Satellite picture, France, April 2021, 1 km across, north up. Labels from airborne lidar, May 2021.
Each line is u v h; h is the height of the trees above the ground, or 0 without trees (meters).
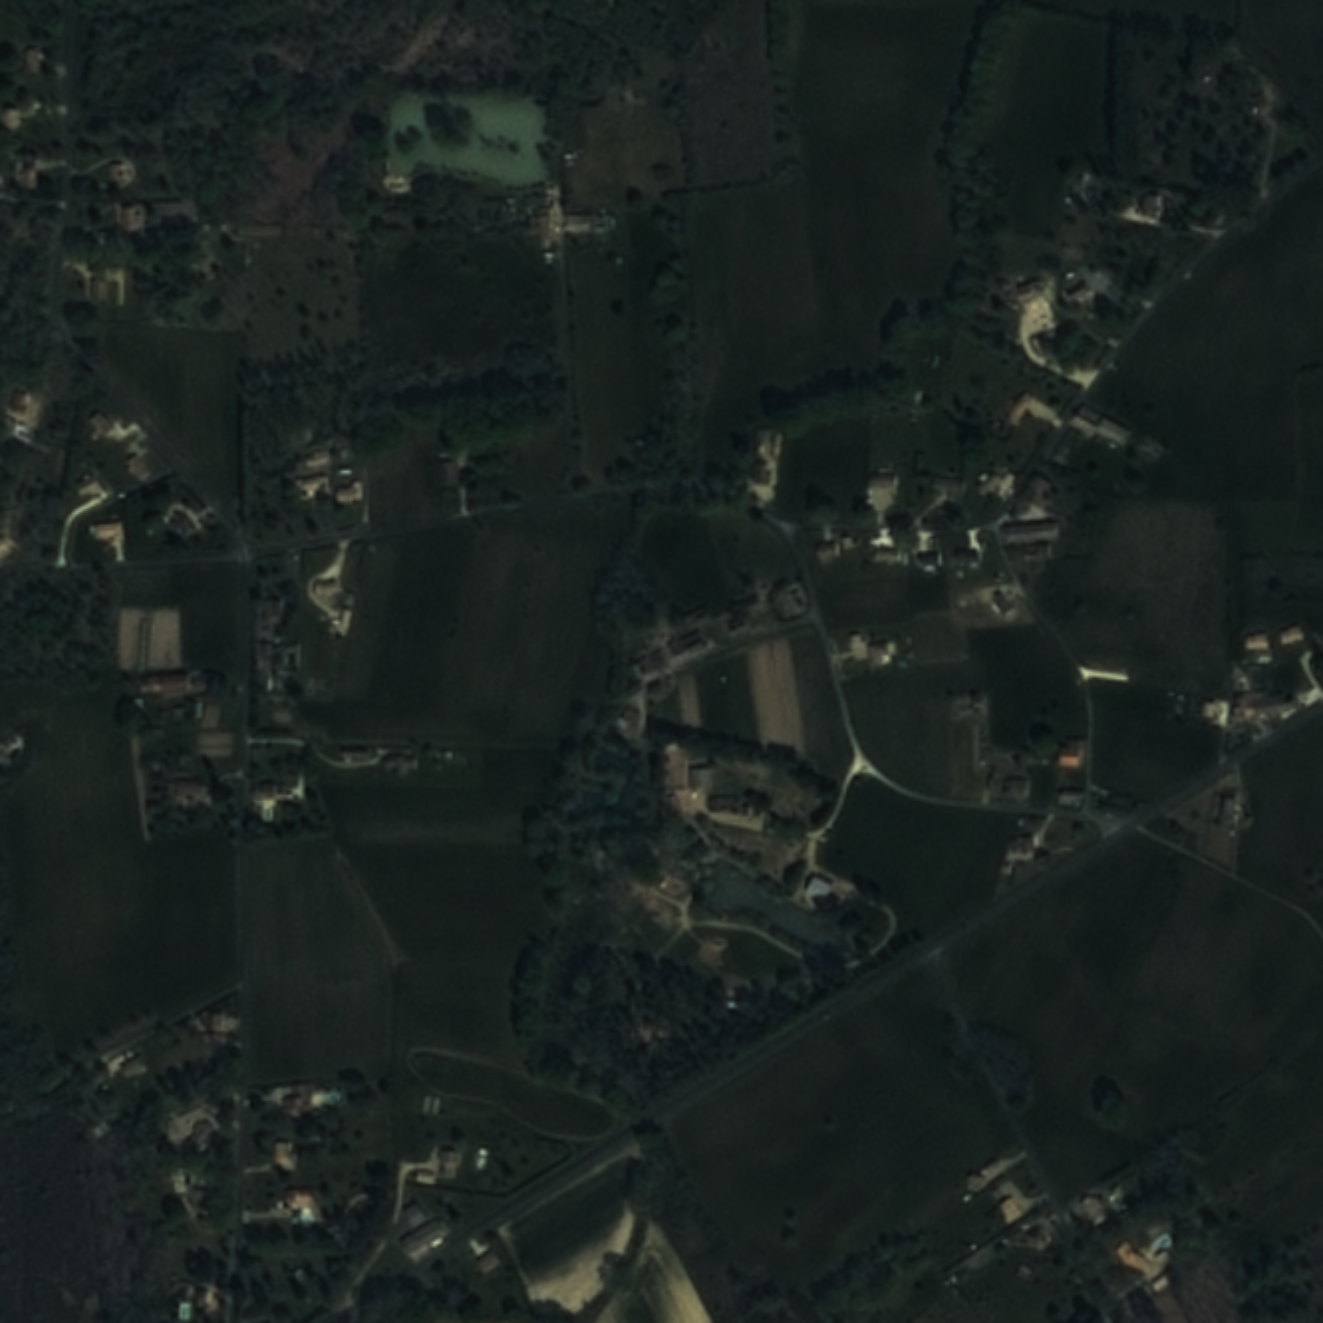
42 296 15
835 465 0
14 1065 9
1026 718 0
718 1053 17
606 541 0
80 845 0
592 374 0
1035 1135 0
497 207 0
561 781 12
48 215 10
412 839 0
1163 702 0
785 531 0
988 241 18
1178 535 0
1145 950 0
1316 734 0
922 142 0
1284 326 0
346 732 0
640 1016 19
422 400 14
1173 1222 15
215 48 9
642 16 8
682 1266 0
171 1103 16
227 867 0
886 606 0
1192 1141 12
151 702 0
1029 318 0
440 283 0
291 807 8
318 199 9
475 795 0
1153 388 0
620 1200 0
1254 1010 0
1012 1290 0
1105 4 0
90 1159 12
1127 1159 0
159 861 0
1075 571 0
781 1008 16
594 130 0
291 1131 18
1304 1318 27
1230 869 0
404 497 0
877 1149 0
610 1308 0
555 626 0
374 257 7
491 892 0
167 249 22
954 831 0
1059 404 8
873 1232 0
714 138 0
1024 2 9
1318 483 0
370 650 0
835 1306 20
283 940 0
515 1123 0
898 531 15
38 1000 0
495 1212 0
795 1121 0
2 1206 7
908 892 0
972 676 0
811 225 0
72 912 0
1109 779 0
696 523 0
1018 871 7
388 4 9
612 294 0
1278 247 0
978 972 0
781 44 16
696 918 0
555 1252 0
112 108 7
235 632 0
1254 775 0
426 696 0
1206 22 0
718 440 0
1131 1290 11
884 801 0
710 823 9
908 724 0
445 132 19
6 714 0
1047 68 0
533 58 19
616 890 19
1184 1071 0
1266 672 0
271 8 12
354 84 14
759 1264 0
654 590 17
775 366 0
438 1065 0
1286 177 11
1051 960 0
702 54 0
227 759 0
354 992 0
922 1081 0
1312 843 0
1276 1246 0
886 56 0
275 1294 15
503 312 0
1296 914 0
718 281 0
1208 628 0
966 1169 0
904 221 0
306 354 0
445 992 0
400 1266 0
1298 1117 0
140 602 0
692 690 0
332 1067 0
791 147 11
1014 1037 11
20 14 14
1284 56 0
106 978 0
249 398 20
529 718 0
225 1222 21
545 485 0
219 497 0
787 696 0
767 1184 0
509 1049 0
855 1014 0
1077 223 8
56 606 13
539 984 21
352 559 0
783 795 0
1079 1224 9
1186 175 0
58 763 0
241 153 17
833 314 0
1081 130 0
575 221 0
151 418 0
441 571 0
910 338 16
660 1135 15
